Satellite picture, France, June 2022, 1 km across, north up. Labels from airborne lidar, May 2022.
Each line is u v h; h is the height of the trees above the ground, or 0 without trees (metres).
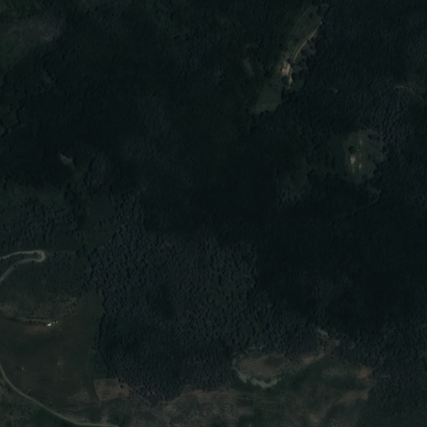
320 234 21
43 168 19
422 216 19
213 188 27
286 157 15
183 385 10
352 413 0
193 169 23
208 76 22
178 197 23
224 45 23
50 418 0
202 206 22
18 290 0
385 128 7
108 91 23
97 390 0
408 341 9
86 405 0
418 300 19
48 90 10
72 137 25
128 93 25
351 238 20
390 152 14
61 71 28
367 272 22
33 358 0
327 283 18
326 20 12
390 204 23
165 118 23
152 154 22
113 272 22
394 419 0
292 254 16
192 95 26
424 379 11
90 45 17
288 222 20
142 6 18
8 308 0
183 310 17
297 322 14
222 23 7
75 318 0
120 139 27
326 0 21
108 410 0
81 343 0
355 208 21
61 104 11
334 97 18
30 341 0
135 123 28
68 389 0
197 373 12
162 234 15
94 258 17
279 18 8
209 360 14
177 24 7
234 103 18
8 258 10
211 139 24
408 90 10
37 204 13
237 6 22
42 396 0
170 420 0
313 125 14
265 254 17
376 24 22
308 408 0
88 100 24
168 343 15
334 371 0
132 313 18
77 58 22
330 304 21
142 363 14
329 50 17
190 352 17
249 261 12
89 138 27
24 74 13
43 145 24
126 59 23
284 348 10
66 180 19
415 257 22
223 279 20
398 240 21
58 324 0
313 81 18
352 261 19
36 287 0
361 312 19
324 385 0
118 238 19
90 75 21
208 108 25
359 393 0
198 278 16
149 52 29
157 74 26
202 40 17
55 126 18
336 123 23
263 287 17
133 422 0
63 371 0
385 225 25
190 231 18
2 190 0
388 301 18
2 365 0
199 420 0
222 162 27
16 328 0
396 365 13
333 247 22
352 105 10
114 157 23
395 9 21
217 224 14
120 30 18
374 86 22
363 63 18
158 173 26
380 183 17
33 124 27
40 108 17
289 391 0
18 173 26
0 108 29
